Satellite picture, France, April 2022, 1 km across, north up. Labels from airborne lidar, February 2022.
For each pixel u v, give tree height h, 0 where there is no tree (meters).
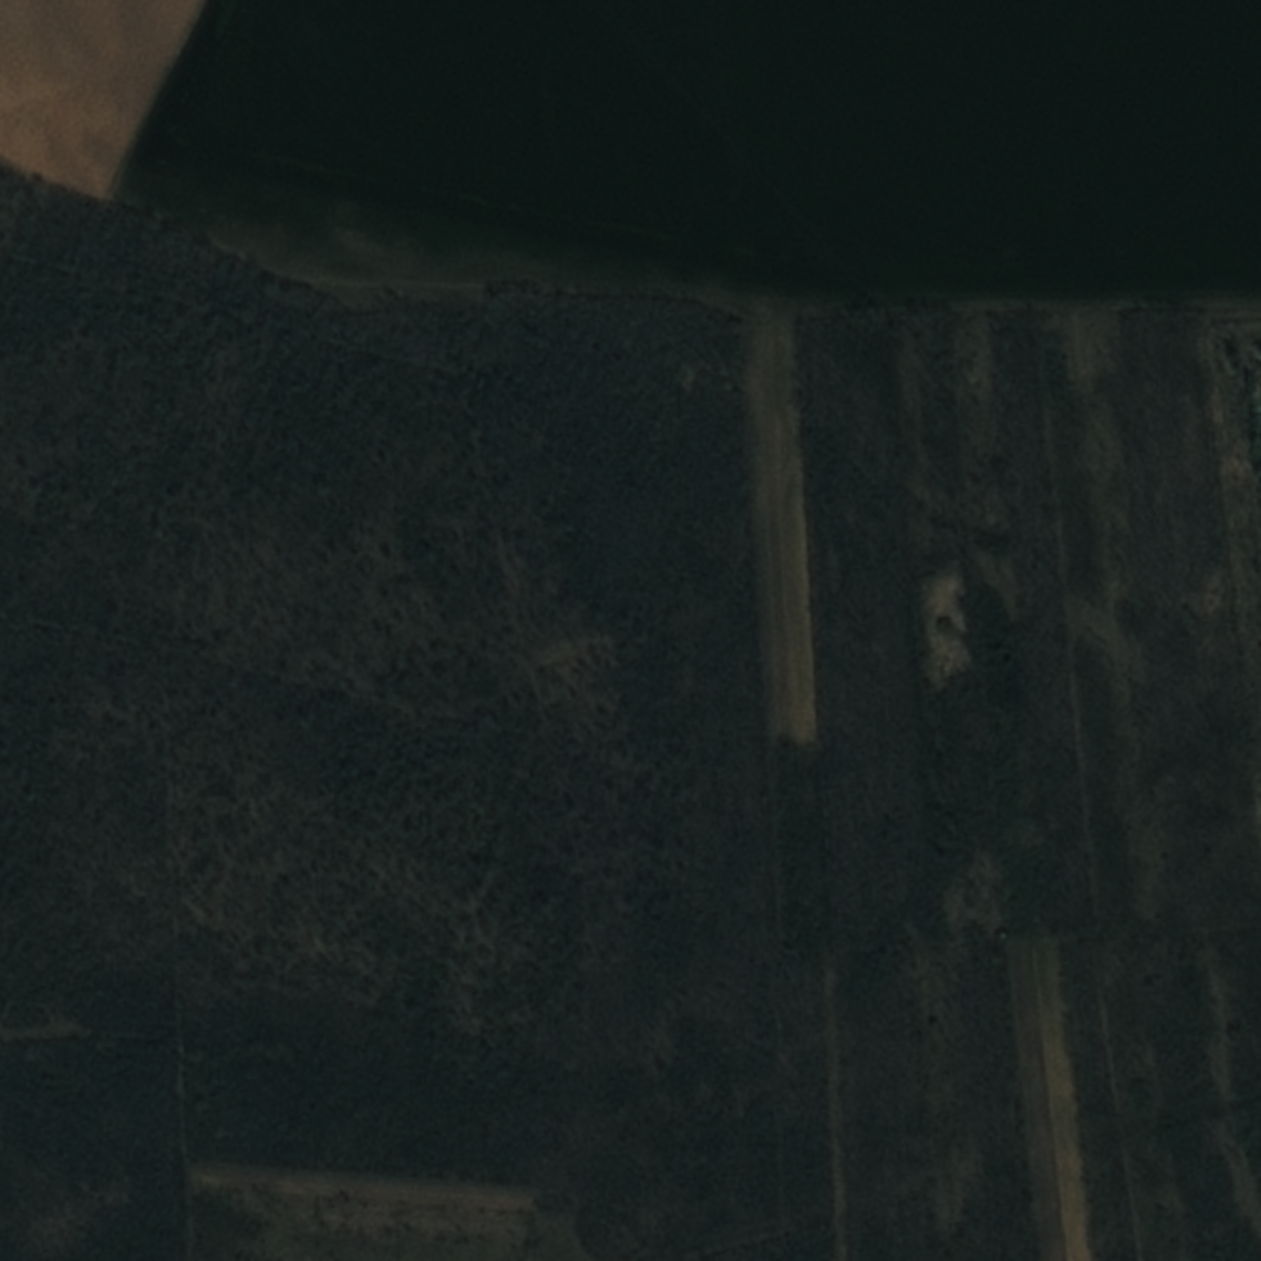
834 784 16
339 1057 9
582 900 9
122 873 11
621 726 14
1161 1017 12
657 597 13
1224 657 0
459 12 0
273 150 0
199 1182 0
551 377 10
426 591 0
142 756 9
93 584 13
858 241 0
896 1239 12
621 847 17
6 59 0
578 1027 10
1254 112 0
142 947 8
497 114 0
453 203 0
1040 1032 0
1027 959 0
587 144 0
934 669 0
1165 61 0
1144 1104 8
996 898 12
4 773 11
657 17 0
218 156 0
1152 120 0
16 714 8
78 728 12
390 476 10
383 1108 11
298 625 12
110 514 11
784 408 0
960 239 0
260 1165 13
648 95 0
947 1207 0
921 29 0
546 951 10
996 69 0
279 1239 0
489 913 13
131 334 17
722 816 12
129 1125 14
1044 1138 0
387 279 0
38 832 7
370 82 0
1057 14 0
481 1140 5
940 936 10
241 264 11
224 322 10
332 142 0
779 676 0
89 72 0
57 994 6
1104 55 0
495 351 11
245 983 8
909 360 0
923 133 0
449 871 10
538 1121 10
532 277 0
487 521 13
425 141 0
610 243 0
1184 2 0
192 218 0
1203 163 0
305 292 12
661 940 10
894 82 0
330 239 0
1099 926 13
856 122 0
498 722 15
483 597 13
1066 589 12
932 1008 0
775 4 0
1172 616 11
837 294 0
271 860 11
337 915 7
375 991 10
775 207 0
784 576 0
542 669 11
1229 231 0
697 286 0
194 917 8
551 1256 0
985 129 0
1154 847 0
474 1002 13
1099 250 0
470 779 13
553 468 14
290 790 8
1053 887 12
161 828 11
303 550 0
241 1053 8
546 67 0
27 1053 13
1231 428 14
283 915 11
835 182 0
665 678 12
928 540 0
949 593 0
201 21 0
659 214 0
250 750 7
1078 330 0
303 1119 12
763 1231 0
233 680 8
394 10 0
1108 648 8
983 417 0
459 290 0
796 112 0
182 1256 15
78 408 0
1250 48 0
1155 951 14
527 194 0
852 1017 0
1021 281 0
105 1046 10
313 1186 0
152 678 14
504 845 12
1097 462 0
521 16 0
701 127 0
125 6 0
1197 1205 9
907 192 0
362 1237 0
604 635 18
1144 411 0
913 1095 13
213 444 14
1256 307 0
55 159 0
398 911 9
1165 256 0
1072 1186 0
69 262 8
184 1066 6
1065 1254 0
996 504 0
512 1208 0
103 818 12
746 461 13
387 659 0
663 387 9
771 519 0
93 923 9
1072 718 13
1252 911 12
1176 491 0
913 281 0
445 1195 0
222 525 13
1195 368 0
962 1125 10
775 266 0
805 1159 13
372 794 10
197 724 11
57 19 0
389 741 10
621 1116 12
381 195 0
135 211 6
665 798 12
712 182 0
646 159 0
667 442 7
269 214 0
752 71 0
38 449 12
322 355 11
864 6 0
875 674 11
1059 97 0
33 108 0
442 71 0
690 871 12
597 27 0
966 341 0
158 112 0
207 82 0
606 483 12
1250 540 14
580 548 12
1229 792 0
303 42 0
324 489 15
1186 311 13
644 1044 15
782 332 0
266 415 15
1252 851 0
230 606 10
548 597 13
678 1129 12
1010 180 0
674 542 10
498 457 15
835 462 11
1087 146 0
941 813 6
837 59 0
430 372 11
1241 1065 9
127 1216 13
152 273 10
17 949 11
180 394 10
